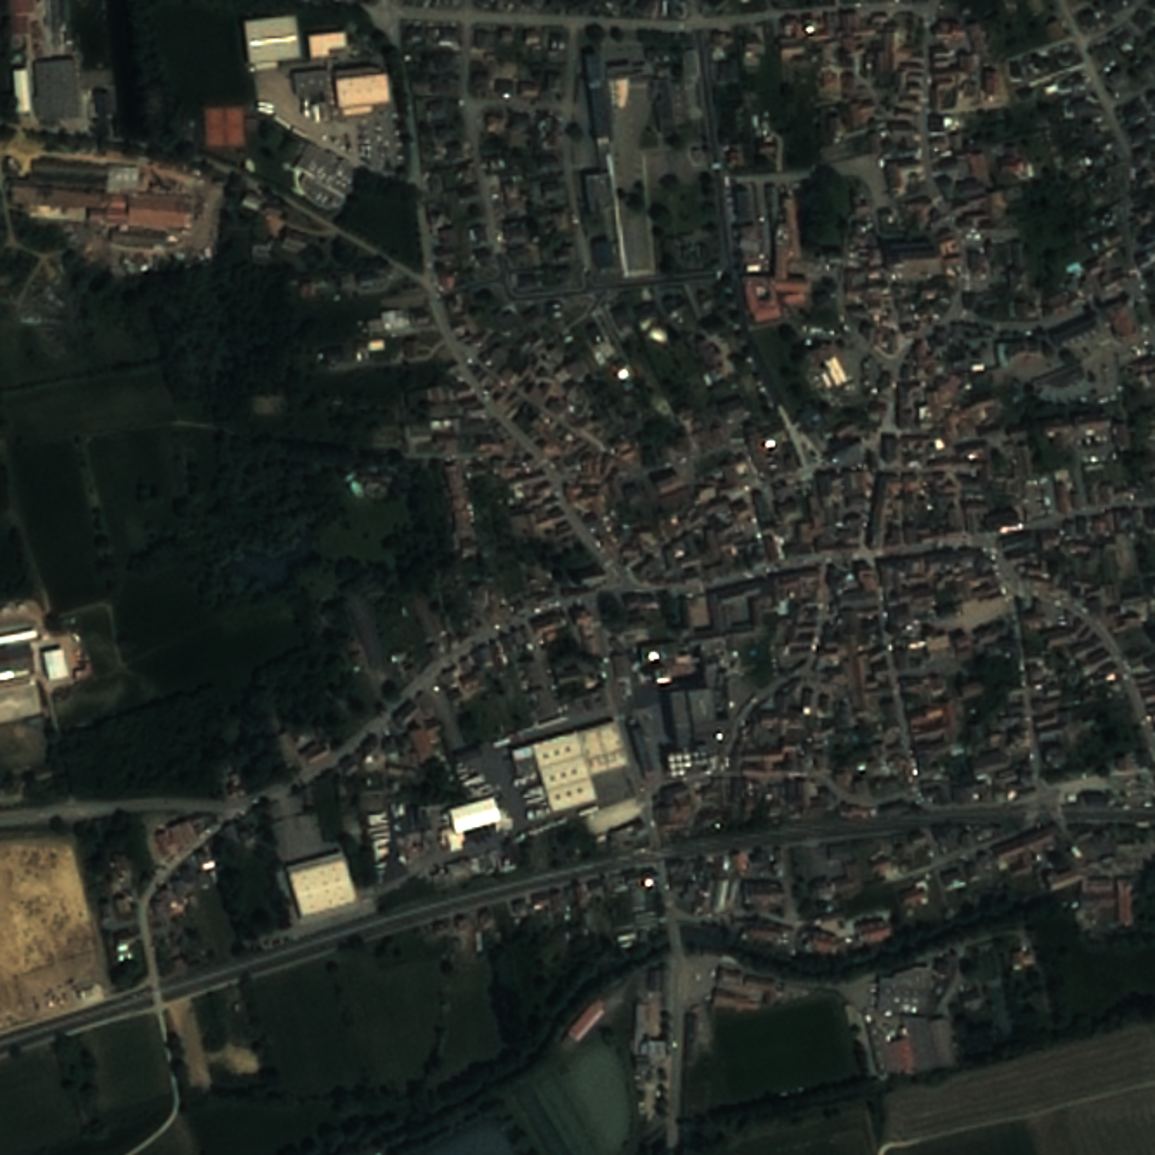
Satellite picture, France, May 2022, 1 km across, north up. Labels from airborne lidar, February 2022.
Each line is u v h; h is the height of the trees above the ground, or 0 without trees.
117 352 0
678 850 0
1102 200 0
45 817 0
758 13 0
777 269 0
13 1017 0
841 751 7
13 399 0
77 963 0
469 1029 0
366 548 0
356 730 0
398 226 0
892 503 0
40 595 0
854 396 0
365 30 0
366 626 0
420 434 0
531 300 0
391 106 0
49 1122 0
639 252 0
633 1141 0
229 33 0
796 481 0
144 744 9
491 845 0
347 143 0
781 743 0
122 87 0
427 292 0
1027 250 8
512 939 10
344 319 0
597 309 0
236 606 12
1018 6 0
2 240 0
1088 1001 0
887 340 0
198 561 7
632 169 0
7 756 0
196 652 0
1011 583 0
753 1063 0
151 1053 0
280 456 12
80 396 0
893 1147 0
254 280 8
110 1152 0
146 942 0
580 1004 13
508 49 0
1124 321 0
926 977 0
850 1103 0
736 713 0
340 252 15
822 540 0
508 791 0
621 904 0
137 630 0
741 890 0
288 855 0
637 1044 0
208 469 0
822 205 18
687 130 0
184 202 0
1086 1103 0
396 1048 0
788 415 0
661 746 0
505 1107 15
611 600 15
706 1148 15
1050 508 0
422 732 0
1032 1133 0
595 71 0
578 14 0
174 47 0
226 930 0
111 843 11
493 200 0
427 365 0
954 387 0
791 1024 0
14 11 0
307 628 9
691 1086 0
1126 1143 0
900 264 0
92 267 0
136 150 12
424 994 0
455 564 11
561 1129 0
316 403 15
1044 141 0
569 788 0
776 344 0
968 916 13
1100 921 0
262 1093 7
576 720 0
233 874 17
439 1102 12
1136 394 7
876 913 0
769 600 0
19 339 0
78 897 0
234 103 0
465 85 0
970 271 0
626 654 0
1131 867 0
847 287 0
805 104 0
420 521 12
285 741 0
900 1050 0
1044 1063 0
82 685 0
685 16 0
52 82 0
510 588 0
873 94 0
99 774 11
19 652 0
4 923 0
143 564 13
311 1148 14
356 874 12
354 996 0
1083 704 0
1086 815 0
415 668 0
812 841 0
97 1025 0
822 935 0
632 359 0
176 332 20
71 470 0
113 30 0
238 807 0
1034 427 13
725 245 0
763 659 0
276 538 12
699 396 0
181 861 0
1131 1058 0
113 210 0
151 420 0
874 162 0
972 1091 0
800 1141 0
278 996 0
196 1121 0
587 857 5
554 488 0
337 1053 0
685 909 0
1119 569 0
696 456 0
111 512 0
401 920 0
